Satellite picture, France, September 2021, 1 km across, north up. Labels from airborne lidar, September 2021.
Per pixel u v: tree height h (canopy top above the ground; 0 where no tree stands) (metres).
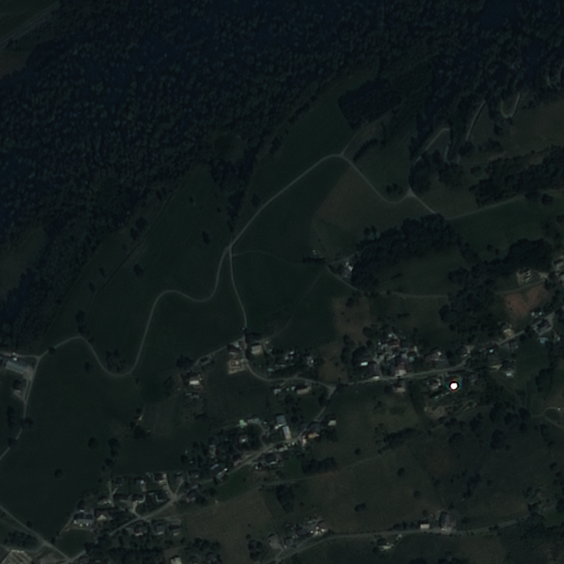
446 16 23
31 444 0
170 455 0
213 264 0
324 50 28
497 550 0
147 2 31
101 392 0
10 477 0
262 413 0
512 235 0
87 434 0
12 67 0
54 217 12
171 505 0
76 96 29
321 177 0
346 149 0
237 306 0
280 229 0
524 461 0
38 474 0
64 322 0
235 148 0
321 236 0
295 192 0
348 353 14
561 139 0
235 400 0
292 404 14
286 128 0
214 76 22
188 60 23
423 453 0
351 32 19
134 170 19
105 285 0
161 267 0
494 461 0
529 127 0
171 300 0
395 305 0
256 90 23
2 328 22
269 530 0
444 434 0
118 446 17
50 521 0
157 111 27
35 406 0
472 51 17
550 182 12
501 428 0
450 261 0
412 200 0
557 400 0
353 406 0
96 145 28
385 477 0
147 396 0
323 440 16
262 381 0
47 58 20
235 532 0
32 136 29
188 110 26
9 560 0
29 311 24
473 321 17
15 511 0
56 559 0
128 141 18
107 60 24
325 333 0
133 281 0
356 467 0
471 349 0
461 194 0
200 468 8
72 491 0
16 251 7
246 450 17
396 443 19
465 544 0
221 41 30
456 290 0
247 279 0
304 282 0
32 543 11
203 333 0
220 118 24
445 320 26
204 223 0
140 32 31
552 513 0
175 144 14
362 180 0
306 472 10
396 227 0
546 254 13
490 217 0
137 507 0
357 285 17
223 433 9
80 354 0
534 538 15
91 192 12
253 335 9
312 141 0
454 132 8
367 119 14
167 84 27
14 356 0
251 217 0
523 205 0
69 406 0
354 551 0
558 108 0
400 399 0
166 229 0
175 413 0
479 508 0
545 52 11
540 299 0
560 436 0
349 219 0
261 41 27
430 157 0
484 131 0
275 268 0
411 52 29
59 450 0
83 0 30
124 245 0
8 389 0
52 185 25
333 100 0
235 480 0
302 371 12
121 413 0
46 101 26
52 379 0
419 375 0
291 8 34
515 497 0
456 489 0
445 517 0
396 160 0
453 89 19
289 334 0
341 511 0
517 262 17
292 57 30
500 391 8
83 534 0
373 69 21
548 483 0
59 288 19
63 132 25
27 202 22
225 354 0
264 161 0
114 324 0
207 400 8
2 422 0
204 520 0
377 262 19
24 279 0
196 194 0
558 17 23
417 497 12
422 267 0
